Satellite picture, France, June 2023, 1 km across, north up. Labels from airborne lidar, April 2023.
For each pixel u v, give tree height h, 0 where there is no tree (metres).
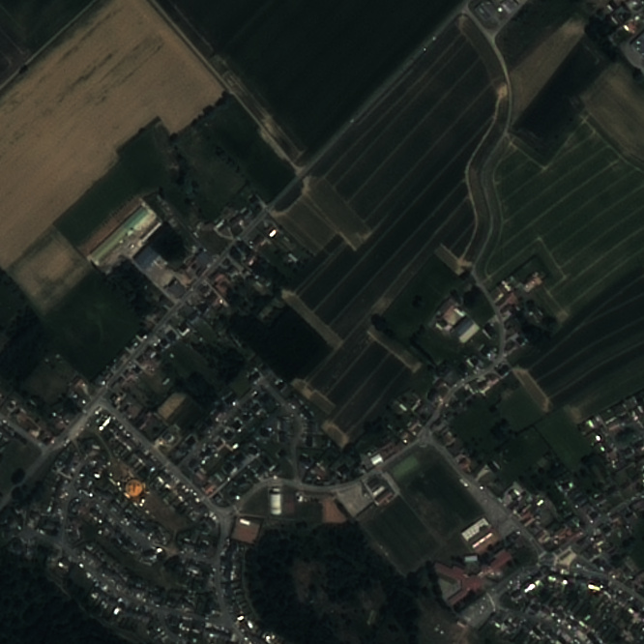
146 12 0
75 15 0
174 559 7
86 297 0
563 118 0
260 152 0
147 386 0
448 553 0
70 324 0
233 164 12
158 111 0
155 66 0
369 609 0
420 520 0
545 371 0
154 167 0
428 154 0
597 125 0
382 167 0
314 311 0
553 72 0
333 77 0
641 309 0
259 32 0
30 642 10
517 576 0
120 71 0
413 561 0
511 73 0
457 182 0
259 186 0
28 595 13
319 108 0
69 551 0
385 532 0
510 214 0
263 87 0
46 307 0
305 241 0
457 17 0
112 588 0
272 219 0
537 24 0
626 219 0
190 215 0
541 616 0
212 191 0
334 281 0
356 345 0
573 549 0
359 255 0
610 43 11
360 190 0
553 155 0
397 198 0
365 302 0
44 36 0
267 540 6
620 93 0
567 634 0
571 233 0
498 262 0
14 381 9
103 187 0
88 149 0
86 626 15
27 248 0
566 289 0
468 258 0
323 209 0
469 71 0
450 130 0
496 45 0
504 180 0
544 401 0
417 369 0
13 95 0
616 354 0
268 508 0
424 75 0
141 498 0
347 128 0
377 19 0
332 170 0
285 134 0
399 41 0
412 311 0
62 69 0
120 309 0
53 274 0
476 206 0
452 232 0
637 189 0
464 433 0
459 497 0
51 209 0
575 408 0
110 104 0
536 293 0
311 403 0
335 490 0
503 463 0
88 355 0
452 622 0
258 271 17
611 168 0
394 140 0
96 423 0
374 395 0
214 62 0
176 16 0
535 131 0
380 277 0
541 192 0
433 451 0
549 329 14
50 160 0
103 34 0
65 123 0
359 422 0
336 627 7
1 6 0
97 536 0
